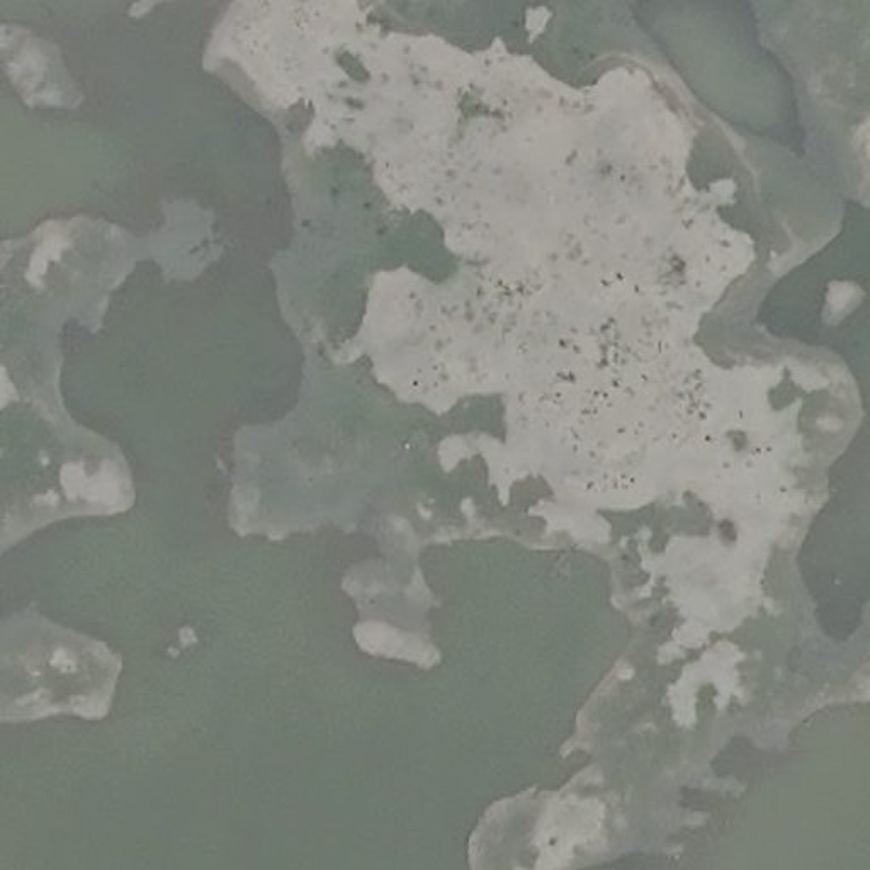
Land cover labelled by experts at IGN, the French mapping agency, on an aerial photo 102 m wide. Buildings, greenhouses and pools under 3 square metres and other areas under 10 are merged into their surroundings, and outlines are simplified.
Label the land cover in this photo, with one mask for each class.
<instances>
[{"label":"water","instance_id":"1","mask_svg":"<svg viewBox=\"0 0 870 870\"><path fill-rule=\"evenodd\" d=\"M231 0H0V24L27 27L37 37L41 54L58 58L75 88L82 92L78 109L27 105L20 88L10 82V71L0 68V245L37 231L44 221L65 218H95L122 228L126 234H153L163 228V204L197 201L201 207L214 211V234L224 251L221 262L207 265L190 282H163L156 262H136L126 282L112 292L99 333L85 330L75 319L61 323L58 347L65 408L82 428L119 445L133 479V503L119 513L48 523L31 537L17 540L14 547L0 551V619L10 622L20 612L44 615L61 629L105 642L122 659L105 717L54 714L20 724L0 720V870H469V836L493 802L510 799L523 788L561 792L578 771L591 768L588 751L561 754V744L574 734V720L581 710L585 700L598 690V683L615 669L632 639V622L622 612L612 605V598L608 561H602L591 551H530L503 537L432 544L421 551V574L432 595L438 598V605H432V646L438 649V663L418 666L408 659L364 653L353 636L360 619L353 598L343 591V571L309 534L268 540L241 537L231 527L238 428L285 418L299 401L302 384L306 350L296 340L292 326L282 319L279 289L272 262L292 241V187L282 173L279 129L268 119V112L245 102L221 75L204 68L214 27L228 14ZM632 20L656 44L659 61L686 82L690 95L707 112L720 116L741 136L768 139L795 156L805 153V122L799 116L795 82L785 61L771 51L758 44V17L748 0H636ZM758 319L778 340H795L802 347L836 353L846 374L856 381L863 421L853 432L846 452L829 466V500L809 517V530L799 544V574L805 595L816 605V625L833 639H850L860 625L863 605L870 602V207L853 201L843 211L839 224V234L816 251L768 285V292L758 302ZM714 775L744 782V795H720L683 785L680 809L703 812L707 819L697 829L669 833L673 843L683 846V856L632 850L568 870H870V703L822 707L805 717L788 731V751H761L751 744V737H727V744L710 761Z\"/></svg>","mask_w":870,"mask_h":870},{"label":"bare soil","instance_id":"2","mask_svg":"<svg viewBox=\"0 0 870 870\"><path fill-rule=\"evenodd\" d=\"M384 0H231L228 14L214 27L204 68L221 75L245 102L268 112V119L279 129L282 173L292 187V241L272 262L279 289L289 279H299L306 268H319L360 248L364 234L343 207L330 211L323 201L302 197L313 187L309 173L316 163V150L347 143L374 163V180L394 207L425 211L442 224L445 248L455 255V275L449 282H428L408 268L377 272L370 279L364 323L357 336L333 353V364H353L360 357H370L381 384H387L401 401H415L432 411H449L466 394L503 398L506 438L452 435L438 445L442 469H455L462 459L472 455L486 459L489 483L496 486V496L503 503L496 517L483 520L476 513L455 527H442L438 534L428 523L411 534L408 520H391L387 510V496L401 486L404 472V438L343 435L336 425H330V411L323 408V401L302 384L299 401L285 418L238 428L231 527L241 537L268 540L309 534L343 571V591L353 598L360 619L353 636L364 653L408 659L418 666L438 663V649L432 646V605H438V598L432 595L421 574V551L432 544L503 537L530 551H591L608 540V523L598 517V510H636L646 503L683 506V493H697L714 510V517H724L720 537H669L663 554L642 561V568L649 571L646 581L612 598V605L622 612L629 602L649 598L659 585V574L666 578L669 598L680 608L683 622L673 629L669 642H663L656 656L659 663L680 659L683 673L669 686V707L680 727H693L697 690L703 683L717 686L714 703L724 710L731 700H748V690L737 680L741 649L731 646V629L758 615V608L765 615H775L782 605H788L795 612V622L788 625L792 646L785 653V669L805 676V686L812 693L799 703L805 717L822 707L870 703V602L863 605L860 625L850 639H833L816 625V605L805 595L799 574V544L809 530V517L829 500V466L846 452L853 432L863 421L856 381L846 374L836 353L802 347L795 340H778L758 319V302L768 292V285L816 251L799 238L785 251H754L748 234L727 228L717 214L720 204H731L734 197V180H717L707 190H697L690 184L686 156L693 136L703 146L727 143L734 153L748 146L758 163L775 160V170L785 180L802 187L839 224L843 211L853 201L870 207V116L856 126L853 143L843 146L816 112L809 85L795 82L799 116L805 122V153L795 156L768 139L741 136L720 116L707 112L690 95L686 82L659 61L656 44L632 20L636 0H608V27L602 31V37L608 41V51L595 58L605 75L598 78V85L571 88L551 78L537 61L510 54L503 41H493L486 51H462L435 34H384L367 20V14L381 10ZM778 381H795L809 391H829L819 425L805 435L795 432L802 401H792L778 411L768 404V391ZM527 476H540L554 489L551 500L530 510L510 500V486ZM758 17V44L771 51L778 48L775 24L795 10L799 0H748ZM0 68L10 71V82L20 88L27 105L78 109L82 92L75 88L58 58L41 54L37 37L27 27L0 24ZM224 251L214 234V211L201 207L197 201L163 204V228L153 234H126L122 228L95 218H65L44 221L37 231L0 245V296L27 299V306L37 316L41 336L34 343V394H17L7 374L0 370V408L14 398L24 408H34L37 418L51 425L44 452L51 455V462L61 466V483L48 493L31 496L34 510H20V503H10L7 510L0 506V551L14 547L17 540L31 537L48 523L119 513L133 503V479L119 445L82 428L65 408L58 347L61 323L75 319L85 330L99 333L112 292L126 282L136 262H156L163 282H190L207 265L221 262ZM122 659L105 642L61 629L44 615L20 612L10 622L0 619V720L20 724L54 714L105 717ZM598 724L581 710L574 720V734L561 744V754L588 751L595 748ZM751 744L761 751H788V731L765 727L751 737ZM683 785L720 795H744V782L714 775L710 761L690 775L663 782L653 795H642L629 816H622L619 795L608 788L605 775L591 768L578 771L561 792L523 788L510 799L493 802L469 836V870H568L632 850L683 856V846L673 843L669 833L697 829L707 819L703 812L680 809Z\"/></svg>","mask_w":870,"mask_h":870},{"label":"herbaceous vegetation","instance_id":"3","mask_svg":"<svg viewBox=\"0 0 870 870\"><path fill-rule=\"evenodd\" d=\"M367 20L384 34H435L462 51H486L493 41H503L510 54L537 61L551 78L571 88L598 85V78L605 75L595 58L608 51V41L602 37V31L608 27V0H384L381 10L367 14ZM778 48L771 51L785 61L795 82L809 85L816 112L843 146L853 143L856 126L870 116V0H799L795 10L775 24ZM690 184L697 190H707L717 180H734V197L731 204H720L717 214L727 228L748 234L754 251H785L799 238L816 251L839 234V224L802 187L785 180L775 170V160L758 163L748 146L734 153L727 143L703 146L693 136L686 156ZM313 187L302 197L323 201L330 211L343 207L364 234L360 248L319 268H306L299 279H289L279 289L282 319L292 326L296 340L306 350L302 384L323 401V408L330 411V425H336L343 435L404 438V472L401 486L387 496V510L391 520H408L411 534L428 523L438 534L442 527H455L476 513L483 520L496 517L503 503L496 496V486L489 483L486 459L472 455L462 459L455 469H442L438 445L452 435L506 438L503 398L466 394L449 411H432L415 401H401L387 384H381L370 357H360L353 364H333V353L357 336L364 323L370 279L377 272L408 268L428 282H449L455 275V255L445 248L442 224L425 211L394 207L374 180V163L347 143L316 150V163L309 173ZM41 336L37 316L27 306V299L0 296V370L7 374L17 394H34V343ZM792 401H802L795 432L805 435L819 425L829 391H809L795 381H778L768 391V404L778 411ZM51 425L37 418L34 408H24L14 398L0 408V506L7 510L10 503H20V510H34L31 496L48 493L61 483V466L51 462V455L44 452ZM554 489L540 476H527L510 486V500L530 510L551 500ZM598 517L608 523V540L591 551L602 561H608L612 598L646 581L649 571L642 568V561L663 554L669 537H720L724 517H714V510L697 493H683V506L646 503L636 510H598ZM632 622V639L615 669L598 683V690L585 700L581 710L598 724L595 748L588 751L591 768L605 775L608 788L619 795L622 816H629L642 795H653L663 782L690 775L710 761L727 744V737H751L765 727L788 731L805 717L799 703L812 693L805 686V676L785 669V653L792 646L788 625L795 622V612L788 605H782L775 615H765L758 608V615L731 629V646L741 649L737 680L748 690V700H731L724 710L714 703L717 686L703 683L697 690L693 727H680L669 707V686L683 673L680 659L659 663L656 656L663 642H669L673 629L683 622L680 608L669 598L666 578L659 574V585L649 598L629 602L622 612Z\"/></svg>","mask_w":870,"mask_h":870}]
</instances>
